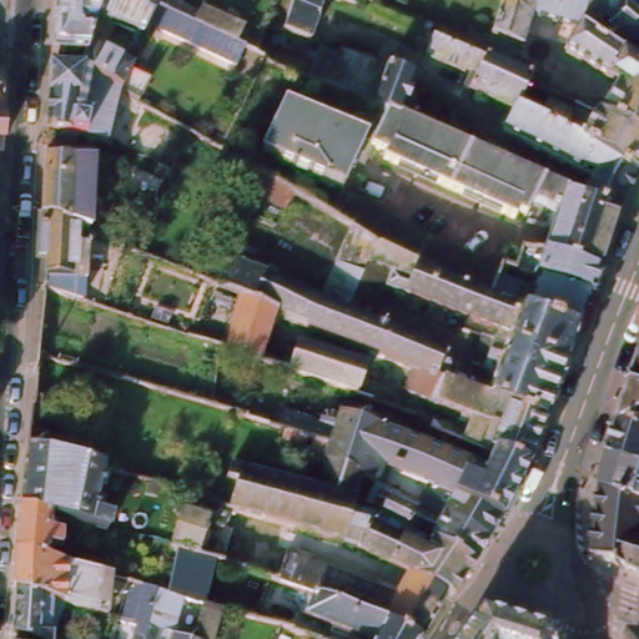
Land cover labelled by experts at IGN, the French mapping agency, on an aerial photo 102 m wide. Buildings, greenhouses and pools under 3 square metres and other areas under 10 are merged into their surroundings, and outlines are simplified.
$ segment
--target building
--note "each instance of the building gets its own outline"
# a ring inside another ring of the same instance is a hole
[[[7,82],[0,72],[0,97],[7,92]]]
[[[487,92],[489,97],[509,107],[507,122],[514,130],[529,132],[534,135],[534,140],[549,142],[552,147],[564,150],[577,160],[624,160],[639,165],[639,0],[447,0],[472,5],[474,17],[489,25],[492,32],[477,47],[437,30],[432,32],[432,45],[434,60],[464,70],[467,85],[472,90]]]
[[[452,639],[559,639],[559,632],[554,629],[547,614],[507,604],[502,599],[487,599],[487,594],[479,594],[469,607],[464,607],[469,619],[454,622],[449,627]]]
[[[359,225],[357,220],[352,220],[349,215],[344,215],[342,210],[337,210],[307,187],[300,187],[285,177],[275,177],[272,197],[282,210],[290,207],[292,197],[310,202],[312,207],[307,210],[307,220],[315,220],[315,232],[327,235],[329,242],[339,247],[327,285],[310,300],[285,287],[282,282],[267,277],[267,265],[242,252],[225,270],[227,280],[215,280],[180,265],[157,257],[145,265],[142,277],[137,282],[137,300],[152,310],[152,317],[147,320],[160,327],[215,337],[230,344],[245,344],[257,354],[267,352],[267,357],[277,359],[285,369],[297,367],[300,374],[322,379],[329,387],[359,389],[364,397],[374,397],[367,409],[339,407],[337,412],[322,414],[322,422],[332,427],[332,434],[327,434],[329,444],[324,447],[324,454],[320,459],[310,459],[302,467],[287,464],[282,454],[277,454],[267,464],[250,464],[242,474],[217,474],[215,484],[197,499],[192,504],[185,504],[182,512],[182,519],[175,522],[175,532],[170,539],[170,549],[175,549],[175,567],[162,569],[165,574],[170,574],[170,582],[165,587],[147,584],[132,577],[120,577],[112,567],[100,562],[65,557],[62,552],[57,552],[57,547],[67,534],[65,524],[70,522],[72,512],[82,522],[107,527],[117,522],[120,504],[110,504],[102,499],[107,464],[100,464],[92,457],[95,449],[32,434],[25,469],[25,499],[15,507],[15,519],[10,527],[15,559],[12,572],[5,577],[10,599],[7,622],[0,627],[0,639],[72,639],[67,634],[67,624],[70,612],[75,607],[105,612],[107,624],[117,627],[122,632],[122,639],[217,639],[217,624],[225,617],[225,607],[240,607],[250,612],[277,617],[272,622],[277,639],[414,639],[429,627],[427,599],[444,599],[447,584],[452,579],[467,577],[472,562],[482,554],[479,542],[492,537],[497,527],[504,524],[507,489],[522,489],[527,477],[537,469],[534,462],[527,459],[529,454],[524,442],[507,439],[504,429],[522,424],[534,434],[544,432],[544,412],[554,402],[554,392],[539,387],[544,379],[562,382],[567,377],[569,364],[564,354],[557,352],[557,342],[572,344],[577,332],[582,329],[582,310],[587,305],[589,292],[599,282],[599,262],[609,250],[619,220],[619,205],[612,202],[612,187],[587,187],[537,162],[529,162],[504,147],[484,142],[454,125],[429,117],[414,107],[407,107],[404,102],[414,92],[414,85],[404,77],[407,60],[389,55],[387,62],[382,62],[379,57],[369,57],[357,50],[344,50],[344,62],[349,72],[342,80],[337,80],[334,87],[322,87],[320,77],[305,80],[302,75],[297,75],[295,67],[282,65],[257,45],[265,37],[265,27],[270,25],[270,20],[280,22],[292,35],[312,37],[320,27],[320,20],[327,17],[332,10],[359,17],[364,7],[374,0],[260,0],[260,12],[245,22],[242,17],[227,10],[202,5],[200,0],[37,0],[37,12],[47,15],[50,47],[47,67],[37,85],[40,102],[35,107],[35,120],[25,120],[30,150],[37,155],[42,170],[42,197],[37,212],[37,257],[47,267],[62,265],[65,270],[70,270],[62,275],[62,287],[82,292],[87,300],[97,305],[105,305],[110,297],[112,277],[122,275],[122,250],[107,245],[102,227],[107,215],[97,207],[97,157],[97,150],[92,147],[52,145],[55,130],[82,130],[105,135],[112,130],[117,105],[130,107],[130,87],[140,85],[145,90],[150,72],[157,70],[162,57],[167,62],[177,62],[187,60],[195,52],[200,60],[210,65],[230,70],[237,67],[240,72],[247,72],[252,77],[262,75],[262,82],[272,82],[272,92],[282,97],[267,130],[267,142],[297,167],[312,170],[334,182],[344,182],[357,165],[374,160],[379,155],[389,165],[404,165],[407,170],[434,180],[439,187],[464,195],[467,202],[472,207],[479,207],[482,212],[504,215],[509,220],[527,220],[537,230],[534,242],[524,242],[527,255],[539,262],[539,267],[534,267],[537,290],[519,302],[502,302],[497,297],[462,287],[442,277],[439,272],[419,270],[417,252],[374,235],[372,230],[367,230],[364,225]],[[242,564],[247,579],[217,579],[220,564]]]
[[[587,507],[589,519],[599,522],[599,532],[589,532],[589,552],[607,549],[602,559],[617,569],[614,587],[607,599],[607,624],[612,619],[622,622],[627,629],[632,624],[639,624],[639,339],[629,342],[634,347],[629,364],[624,367],[627,372],[632,372],[629,389],[622,399],[622,412],[607,414],[607,434],[612,439],[599,462],[594,502]]]
[[[5,147],[7,137],[7,107],[0,100],[0,150]]]

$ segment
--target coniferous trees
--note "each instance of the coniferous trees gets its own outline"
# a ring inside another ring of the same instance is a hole
[[[262,195],[260,175],[252,172],[247,165],[242,160],[222,160],[220,150],[217,145],[210,147],[197,142],[197,160],[185,170],[185,190],[175,200],[175,217],[185,225],[187,232],[180,265],[215,280],[227,280],[225,270],[242,252],[247,237],[262,227],[260,217],[270,207],[270,197]]]
[[[152,222],[145,220],[130,205],[115,207],[107,215],[102,227],[107,245],[122,250],[147,250],[155,240]]]
[[[57,389],[47,394],[42,409],[45,414],[72,412],[75,417],[87,417],[112,404],[112,387],[95,384],[90,389],[70,367],[55,364]]]

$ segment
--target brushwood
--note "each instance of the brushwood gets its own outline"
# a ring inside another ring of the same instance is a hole
[[[147,320],[152,317],[152,310],[137,300],[137,282],[142,277],[145,265],[157,257],[147,250],[122,250],[122,275],[112,277],[110,297],[105,305]]]
[[[107,215],[115,207],[130,205],[130,182],[127,160],[117,160],[112,152],[102,152],[97,157],[97,207]]]
[[[222,160],[242,160],[247,165],[255,157],[255,150],[267,142],[267,130],[282,97],[272,92],[272,82],[262,82],[262,75],[252,77],[252,85],[242,105],[232,115],[232,142],[220,150]]]

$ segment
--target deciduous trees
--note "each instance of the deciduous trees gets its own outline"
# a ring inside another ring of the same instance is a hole
[[[67,634],[72,639],[122,639],[122,632],[117,627],[107,624],[105,612],[75,607],[70,612],[67,624]]]
[[[182,107],[177,90],[162,90],[157,107],[172,115]]]
[[[300,437],[282,439],[277,442],[282,454],[287,464],[302,467],[310,459],[320,459],[324,454],[324,447]]]
[[[247,579],[242,564],[220,564],[217,579]]]
[[[250,622],[250,612],[240,607],[225,607],[225,617],[217,624],[217,639],[240,639]]]
[[[207,120],[200,120],[197,127],[202,135],[210,135],[217,145],[220,150],[232,142],[232,115],[242,105],[252,85],[252,77],[247,72],[240,72],[237,67],[230,70],[230,80],[237,87],[235,95],[220,95],[210,107],[215,117],[222,122],[222,127],[215,130],[215,125]]]
[[[257,354],[245,344],[230,344],[230,364],[235,364],[237,369],[247,369]]]
[[[187,484],[162,479],[155,499],[182,512],[185,504],[192,504],[197,499],[195,492],[187,489]]]

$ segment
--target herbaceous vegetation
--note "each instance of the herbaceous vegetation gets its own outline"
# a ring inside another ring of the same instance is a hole
[[[167,62],[162,57],[157,70],[150,72],[145,90],[142,100],[157,107],[162,90],[177,90],[182,107],[172,115],[192,130],[197,127],[200,120],[207,120],[215,125],[215,130],[222,127],[222,122],[215,117],[210,107],[220,95],[235,95],[237,87],[230,80],[230,70],[210,65],[200,60],[195,52],[187,60],[177,62]]]
[[[107,464],[102,499],[110,504],[120,504],[117,522],[107,527],[82,522],[72,512],[70,522],[65,524],[67,534],[57,547],[57,552],[62,552],[65,557],[100,562],[112,567],[120,577],[132,577],[147,584],[165,587],[170,582],[170,574],[165,574],[162,569],[175,567],[175,549],[170,549],[170,539],[175,532],[175,522],[182,519],[182,512],[155,499],[162,479],[187,484],[187,489],[195,492],[197,499],[215,484],[217,474],[242,474],[250,464],[267,464],[277,454],[282,454],[277,442],[282,439],[282,434],[272,429],[255,427],[252,422],[242,419],[242,409],[270,417],[275,422],[285,422],[290,427],[327,434],[332,434],[332,427],[322,422],[322,414],[337,412],[339,407],[367,409],[374,397],[364,397],[359,389],[329,387],[322,379],[300,374],[297,367],[285,369],[277,359],[267,357],[267,352],[257,354],[247,369],[237,369],[235,364],[230,364],[230,344],[215,337],[160,327],[147,320],[105,305],[97,305],[95,310],[85,310],[72,300],[60,300],[60,332],[55,337],[55,344],[72,347],[80,352],[80,359],[70,367],[90,389],[95,384],[112,387],[112,404],[87,417],[75,417],[72,412],[45,414],[42,409],[32,407],[32,434],[95,449],[92,457],[100,464]],[[147,392],[137,384],[125,382],[122,374],[135,374],[172,389],[167,394]]]
[[[327,285],[339,247],[329,242],[327,235],[315,232],[315,220],[307,220],[307,210],[312,207],[310,202],[292,197],[290,207],[282,210],[272,197],[270,197],[270,207],[260,217],[262,227],[247,237],[242,252],[267,265],[267,277],[282,282],[285,287],[310,300]]]
[[[260,0],[200,0],[202,5],[227,10],[242,17],[245,22],[260,12]]]
[[[137,172],[157,177],[160,185],[155,190],[140,190],[140,185],[130,182],[130,205],[145,220],[152,222],[155,240],[147,250],[157,257],[180,265],[187,232],[185,225],[175,217],[175,200],[185,190],[185,170],[197,160],[197,142],[195,135],[182,132],[175,125],[170,130],[170,137],[162,145],[152,147],[152,152],[137,167]]]
[[[272,622],[277,617],[250,612],[250,622],[240,639],[277,639]]]
[[[477,47],[492,32],[489,25],[474,17],[472,5],[447,0],[374,0],[364,7],[359,17],[332,10],[327,17],[320,20],[320,27],[312,37],[292,35],[280,22],[270,20],[270,25],[265,27],[265,37],[257,45],[282,65],[295,67],[297,75],[302,75],[305,80],[320,77],[322,87],[334,87],[337,80],[342,80],[349,72],[344,62],[344,50],[357,50],[369,57],[379,57],[382,62],[387,62],[389,55],[407,60],[412,52],[419,52],[422,47],[432,45],[432,32],[437,30]]]

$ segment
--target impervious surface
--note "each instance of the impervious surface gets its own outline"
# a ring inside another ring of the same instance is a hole
[[[290,427],[285,422],[275,422],[270,417],[242,409],[242,419],[252,422],[255,427],[272,429],[282,434],[282,439],[300,437],[324,447],[329,444],[327,434]]]
[[[262,195],[270,197],[272,197],[275,177],[285,177],[300,187],[307,187],[337,210],[342,210],[344,215],[349,215],[352,220],[357,220],[359,225],[364,225],[367,230],[372,230],[374,235],[417,252],[419,270],[439,272],[442,277],[462,287],[497,297],[502,302],[519,302],[537,290],[534,267],[539,267],[539,262],[527,255],[524,242],[534,242],[537,230],[527,220],[509,220],[504,215],[482,212],[479,207],[472,207],[467,202],[464,195],[439,187],[434,180],[407,170],[404,165],[389,165],[379,155],[374,160],[357,165],[344,182],[334,182],[312,170],[297,167],[267,142],[255,150],[255,157],[247,165],[252,172],[260,175]]]
[[[5,577],[12,572],[15,559],[10,527],[15,519],[15,507],[25,499],[25,469],[32,434],[32,407],[42,409],[47,394],[57,389],[55,364],[70,367],[80,359],[80,352],[72,347],[55,344],[55,337],[60,332],[60,300],[72,300],[85,310],[95,310],[97,305],[87,300],[82,292],[62,287],[62,275],[70,270],[65,270],[62,265],[47,267],[37,257],[37,212],[42,197],[42,170],[37,155],[30,150],[25,120],[35,120],[35,107],[40,102],[37,85],[47,67],[50,47],[47,15],[37,12],[37,0],[0,0],[0,72],[7,82],[7,92],[0,97],[0,100],[7,107],[7,137],[5,147],[0,150],[0,627],[7,622],[10,599]]]
[[[52,145],[92,147],[97,150],[97,157],[102,152],[112,152],[117,160],[127,160],[130,182],[140,185],[140,190],[155,190],[160,185],[157,177],[137,172],[137,167],[152,152],[152,147],[162,145],[170,137],[170,130],[175,125],[182,132],[195,135],[197,142],[210,147],[217,145],[210,135],[202,135],[197,127],[192,130],[172,115],[157,107],[142,100],[145,90],[140,85],[130,87],[130,107],[117,105],[112,130],[105,135],[82,130],[55,130]]]
[[[414,92],[404,102],[407,107],[414,107],[429,117],[454,125],[484,142],[504,147],[529,162],[537,162],[587,187],[612,187],[612,202],[619,205],[619,220],[609,250],[599,262],[599,282],[589,292],[587,305],[582,310],[582,329],[577,332],[572,344],[557,342],[557,352],[564,354],[569,364],[567,377],[562,382],[544,379],[539,387],[554,392],[554,402],[544,412],[544,432],[534,434],[522,424],[504,429],[507,439],[524,442],[529,454],[527,459],[534,462],[537,469],[527,477],[522,489],[507,489],[504,524],[497,527],[492,537],[479,542],[482,554],[472,562],[467,577],[452,579],[447,584],[444,599],[427,599],[429,627],[414,639],[452,639],[449,627],[454,622],[469,619],[464,607],[469,607],[479,594],[487,594],[487,599],[502,599],[507,604],[547,614],[554,629],[559,632],[559,639],[639,639],[639,624],[632,624],[627,629],[622,622],[612,619],[607,624],[607,599],[614,587],[617,569],[602,559],[607,549],[589,552],[589,532],[599,532],[599,522],[589,519],[587,507],[594,502],[599,462],[612,439],[607,434],[607,414],[622,412],[622,399],[629,389],[632,372],[627,372],[624,367],[629,364],[634,347],[629,342],[639,339],[639,165],[624,160],[577,160],[564,150],[552,147],[549,142],[534,140],[534,135],[529,132],[514,130],[507,122],[509,107],[489,97],[487,92],[472,90],[467,85],[464,70],[434,60],[432,45],[422,47],[419,52],[412,52],[407,60],[404,77],[414,85]]]
[[[125,382],[137,384],[147,392],[167,394],[172,389],[135,374],[122,374]]]

